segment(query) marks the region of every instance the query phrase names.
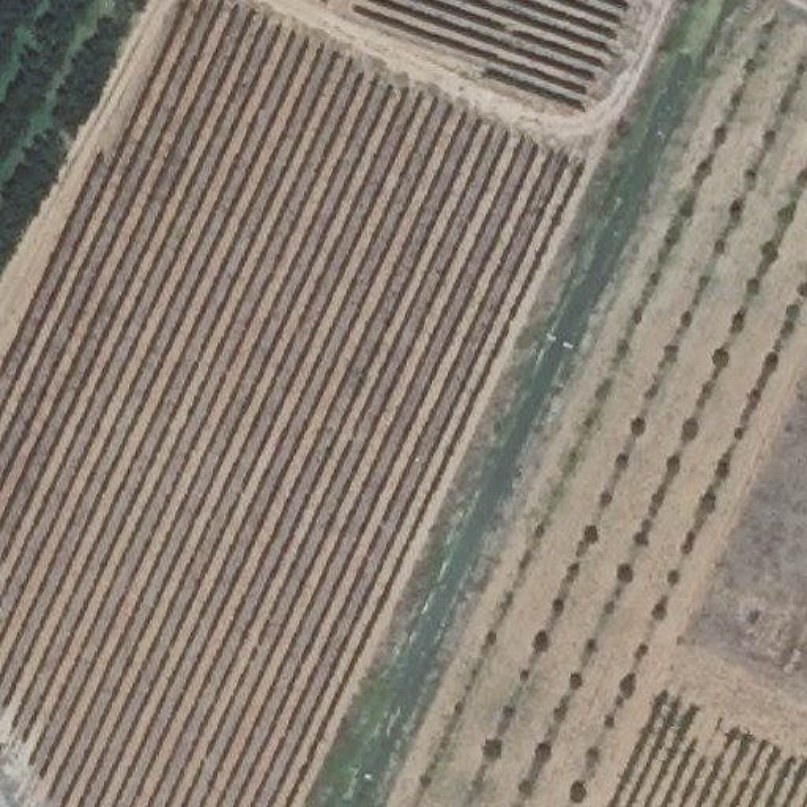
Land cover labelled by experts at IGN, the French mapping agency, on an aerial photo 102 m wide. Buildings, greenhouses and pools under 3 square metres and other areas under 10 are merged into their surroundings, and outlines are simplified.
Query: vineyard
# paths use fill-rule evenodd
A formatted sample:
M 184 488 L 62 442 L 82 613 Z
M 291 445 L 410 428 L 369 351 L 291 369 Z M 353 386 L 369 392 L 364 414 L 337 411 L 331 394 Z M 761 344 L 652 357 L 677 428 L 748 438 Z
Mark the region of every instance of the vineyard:
M 407 73 L 391 73 L 375 57 L 353 57 L 350 44 L 337 44 L 318 28 L 271 13 L 262 3 L 243 0 L 177 0 L 117 142 L 104 151 L 95 151 L 91 167 L 79 186 L 79 195 L 47 255 L 41 281 L 28 299 L 28 309 L 16 328 L 16 337 L 9 340 L 6 353 L 0 350 L 0 807 L 306 807 L 306 798 L 334 747 L 340 722 L 350 712 L 388 637 L 388 627 L 410 586 L 416 564 L 426 555 L 432 526 L 467 460 L 479 422 L 485 419 L 498 381 L 514 363 L 514 347 L 523 328 L 530 325 L 530 312 L 542 296 L 545 277 L 574 230 L 577 211 L 605 154 L 608 132 L 593 129 L 580 139 L 567 139 L 564 145 L 555 136 L 542 136 L 536 142 L 523 129 L 508 126 L 498 117 L 470 110 L 467 101 L 451 101 L 438 91 L 438 85 L 410 82 Z
M 618 73 L 624 69 L 624 54 L 634 50 L 640 41 L 640 13 L 653 9 L 653 0 L 353 0 L 353 13 L 375 25 L 388 25 L 410 38 L 482 60 L 482 79 L 489 79 L 489 88 L 508 95 L 523 107 L 552 110 L 555 104 L 561 104 L 571 110 L 586 110 L 589 104 L 608 98 Z
M 646 725 L 637 734 L 637 744 L 618 775 L 612 798 L 605 801 L 593 788 L 586 791 L 580 807 L 807 807 L 807 681 L 798 675 L 794 684 L 785 690 L 769 684 L 766 678 L 757 678 L 753 671 L 709 646 L 678 646 L 671 653 L 668 681 L 649 706 Z

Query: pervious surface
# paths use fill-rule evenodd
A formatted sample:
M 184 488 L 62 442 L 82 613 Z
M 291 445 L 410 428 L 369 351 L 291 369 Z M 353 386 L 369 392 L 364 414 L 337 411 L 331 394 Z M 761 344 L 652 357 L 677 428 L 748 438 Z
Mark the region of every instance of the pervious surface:
M 640 13 L 640 41 L 634 50 L 624 54 L 624 69 L 637 73 L 640 79 L 646 76 L 653 50 L 662 32 L 668 28 L 675 0 L 653 0 L 653 9 Z

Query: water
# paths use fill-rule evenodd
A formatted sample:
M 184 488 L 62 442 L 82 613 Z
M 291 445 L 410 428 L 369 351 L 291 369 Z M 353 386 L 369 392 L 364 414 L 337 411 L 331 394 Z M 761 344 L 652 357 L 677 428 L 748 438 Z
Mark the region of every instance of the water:
M 340 801 L 337 807 L 359 807 L 369 791 L 369 775 L 388 769 L 391 760 L 391 741 L 375 734 L 359 760 L 356 782 L 350 782 L 344 791 L 347 801 Z
M 498 508 L 511 498 L 514 479 L 520 476 L 520 451 L 526 438 L 533 432 L 542 432 L 542 419 L 549 413 L 552 397 L 571 388 L 580 340 L 586 334 L 586 318 L 596 309 L 605 287 L 621 271 L 621 252 L 627 240 L 637 233 L 640 218 L 649 218 L 646 199 L 656 180 L 656 167 L 665 148 L 671 145 L 671 136 L 684 126 L 690 107 L 690 101 L 684 98 L 690 79 L 690 57 L 700 54 L 703 41 L 709 38 L 722 0 L 706 0 L 697 3 L 697 16 L 681 44 L 684 57 L 678 57 L 678 63 L 671 66 L 665 95 L 653 110 L 643 145 L 621 189 L 621 202 L 599 233 L 593 262 L 558 322 L 555 340 L 542 356 L 539 375 L 533 381 L 530 397 L 520 407 L 517 426 L 501 451 L 501 460 L 454 549 L 454 558 L 448 564 L 441 589 L 432 599 L 422 630 L 407 653 L 404 671 L 388 700 L 391 709 L 404 709 L 410 703 L 410 694 L 416 690 L 419 675 L 426 671 L 426 656 L 435 649 L 435 637 L 441 630 L 444 615 L 451 612 L 451 605 L 463 599 L 460 580 L 476 564 L 482 536 L 495 530 L 501 520 Z

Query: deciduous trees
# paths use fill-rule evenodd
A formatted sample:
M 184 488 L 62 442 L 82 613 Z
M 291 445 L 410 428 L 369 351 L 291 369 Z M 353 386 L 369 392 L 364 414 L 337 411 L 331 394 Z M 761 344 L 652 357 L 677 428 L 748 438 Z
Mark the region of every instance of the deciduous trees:
M 675 444 L 675 454 L 665 463 L 665 473 L 649 498 L 646 517 L 634 533 L 634 545 L 627 549 L 627 558 L 618 567 L 615 586 L 593 624 L 589 640 L 583 643 L 564 697 L 552 709 L 545 738 L 539 741 L 511 807 L 526 807 L 552 757 L 561 722 L 567 719 L 577 690 L 583 687 L 583 678 L 589 675 L 593 656 L 599 653 L 599 643 L 612 627 L 612 615 L 618 612 L 627 593 L 627 583 L 634 580 L 634 567 L 640 564 L 643 549 L 649 545 L 649 533 L 659 520 L 659 511 L 678 479 L 681 457 L 700 432 L 706 404 L 722 385 L 728 353 L 738 347 L 738 337 L 747 325 L 747 312 L 757 306 L 760 287 L 772 262 L 779 258 L 801 195 L 807 192 L 807 161 L 788 186 L 788 202 L 775 214 L 772 236 L 763 243 L 760 262 L 753 268 L 753 277 L 747 281 L 725 344 L 712 353 L 712 372 L 697 394 L 690 419 L 684 419 L 681 441 Z
M 107 76 L 117 63 L 120 44 L 148 0 L 0 0 L 0 274 L 13 258 L 25 227 L 38 214 L 41 202 L 47 199 L 50 186 L 57 183 L 69 142 L 88 120 L 88 113 L 98 107 Z
M 555 523 L 561 501 L 567 498 L 580 460 L 589 451 L 593 432 L 602 426 L 605 404 L 615 388 L 612 381 L 630 356 L 637 325 L 643 322 L 646 306 L 653 303 L 671 265 L 675 246 L 687 230 L 687 221 L 694 218 L 700 189 L 712 173 L 719 148 L 734 129 L 741 104 L 753 88 L 753 76 L 769 63 L 769 47 L 772 35 L 779 32 L 779 22 L 769 19 L 757 35 L 757 47 L 744 66 L 741 85 L 731 91 L 722 123 L 716 126 L 712 142 L 706 148 L 706 158 L 697 164 L 690 186 L 684 189 L 684 199 L 668 224 L 668 233 L 649 265 L 649 277 L 621 328 L 621 340 L 612 353 L 605 378 L 599 381 L 589 400 L 583 422 L 577 426 L 574 448 L 561 457 L 561 473 L 542 495 L 545 504 L 539 523 L 526 536 L 526 549 L 508 583 L 508 593 L 501 596 L 492 615 L 489 634 L 463 678 L 463 687 L 441 728 L 438 744 L 432 747 L 429 766 L 419 775 L 410 807 L 422 807 L 444 763 L 457 775 L 473 779 L 460 807 L 476 807 L 479 801 L 489 801 L 495 791 L 495 782 L 489 782 L 489 775 L 495 760 L 501 757 L 501 744 L 508 741 L 514 716 L 520 722 L 530 722 L 530 703 L 539 694 L 539 659 L 549 649 L 549 640 L 558 634 L 564 602 L 580 577 L 580 564 L 589 545 L 599 539 L 596 526 L 605 520 L 605 511 L 630 463 L 630 454 L 637 451 L 637 438 L 646 429 L 656 397 L 671 378 L 678 350 L 709 293 L 709 284 L 719 271 L 719 258 L 728 249 L 731 233 L 741 227 L 744 202 L 757 186 L 760 170 L 744 170 L 744 183 L 734 192 L 734 202 L 728 205 L 728 218 L 716 233 L 712 252 L 706 255 L 703 268 L 690 268 L 697 287 L 687 299 L 687 309 L 681 312 L 678 328 L 671 331 L 671 340 L 665 344 L 656 375 L 643 394 L 640 413 L 630 422 L 621 454 L 615 457 L 612 476 L 605 479 L 605 492 L 593 508 L 593 520 L 574 549 L 574 561 L 561 577 L 545 627 L 536 634 L 533 653 L 526 656 L 526 665 L 520 668 L 520 678 L 501 709 L 495 738 L 485 741 L 482 753 L 476 747 L 457 747 L 457 741 L 463 728 L 463 712 L 473 700 L 473 690 L 479 687 L 482 671 L 492 665 L 498 634 L 504 630 L 514 599 L 526 583 L 526 571 L 539 558 L 542 539 Z
M 675 558 L 675 567 L 662 583 L 659 602 L 653 605 L 653 618 L 643 627 L 643 640 L 634 649 L 630 671 L 621 678 L 615 703 L 605 712 L 605 725 L 596 731 L 596 741 L 586 750 L 583 769 L 571 785 L 571 798 L 564 801 L 564 807 L 580 807 L 586 791 L 586 785 L 596 779 L 602 747 L 608 744 L 612 728 L 618 725 L 627 700 L 634 697 L 637 675 L 643 671 L 643 659 L 649 653 L 649 643 L 656 640 L 656 627 L 668 612 L 668 602 L 675 599 L 675 586 L 687 571 L 690 552 L 709 523 L 709 514 L 716 511 L 716 498 L 731 473 L 731 460 L 741 451 L 744 435 L 750 432 L 753 413 L 766 394 L 772 372 L 779 369 L 779 356 L 785 353 L 798 328 L 801 309 L 807 306 L 807 268 L 794 293 L 794 303 L 785 309 L 785 322 L 772 340 L 772 350 L 763 359 L 763 369 L 747 394 L 734 435 L 725 454 L 719 457 L 716 473 L 694 511 L 690 530 L 681 542 L 681 555 Z

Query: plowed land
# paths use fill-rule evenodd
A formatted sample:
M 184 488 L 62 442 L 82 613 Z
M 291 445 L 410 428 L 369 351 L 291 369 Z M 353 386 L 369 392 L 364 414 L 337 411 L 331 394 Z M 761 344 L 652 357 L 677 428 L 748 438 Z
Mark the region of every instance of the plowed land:
M 104 151 L 117 142 L 177 0 L 148 0 L 120 44 L 117 63 L 107 76 L 98 107 L 88 113 L 88 120 L 69 142 L 57 183 L 50 186 L 47 199 L 41 202 L 38 214 L 25 227 L 13 258 L 0 274 L 0 350 L 6 353 L 9 340 L 16 337 L 16 328 L 28 309 L 28 299 L 41 281 L 47 255 L 79 195 L 79 186 L 91 167 L 95 151 Z
M 586 791 L 593 788 L 605 801 L 612 798 L 618 775 L 637 744 L 637 734 L 646 725 L 649 706 L 668 681 L 671 653 L 678 646 L 709 646 L 753 671 L 757 678 L 766 678 L 769 684 L 785 690 L 794 684 L 798 675 L 807 681 L 807 306 L 801 309 L 798 328 L 785 353 L 779 356 L 779 369 L 772 372 L 766 394 L 753 413 L 750 432 L 744 435 L 741 451 L 731 460 L 731 473 L 716 498 L 716 511 L 709 514 L 709 523 L 690 552 L 687 571 L 675 586 L 675 599 L 668 602 L 668 612 L 656 627 L 656 640 L 649 643 L 649 653 L 643 659 L 643 671 L 637 675 L 634 697 L 627 700 L 618 725 L 612 728 L 608 744 L 602 747 L 596 779 L 586 785 Z
M 760 287 L 757 306 L 747 312 L 747 325 L 738 337 L 738 347 L 728 353 L 722 385 L 706 404 L 700 432 L 681 457 L 678 479 L 659 511 L 659 520 L 649 533 L 649 545 L 643 549 L 640 564 L 634 567 L 634 580 L 627 583 L 627 593 L 618 612 L 612 615 L 612 627 L 599 643 L 599 653 L 593 656 L 589 675 L 583 678 L 583 687 L 577 690 L 567 719 L 561 722 L 552 757 L 526 807 L 564 807 L 564 801 L 571 798 L 571 785 L 583 769 L 586 750 L 596 741 L 596 731 L 605 725 L 605 712 L 615 703 L 621 678 L 630 671 L 634 649 L 643 640 L 643 627 L 653 618 L 653 605 L 659 602 L 662 583 L 675 567 L 675 558 L 681 555 L 681 542 L 690 530 L 694 511 L 716 473 L 719 457 L 725 454 L 734 435 L 747 394 L 763 369 L 763 359 L 772 350 L 772 340 L 785 322 L 785 309 L 794 303 L 794 293 L 807 268 L 807 192 L 801 195 L 779 258 L 772 262 Z
M 422 807 L 460 807 L 473 779 L 457 775 L 444 763 Z
M 419 775 L 429 766 L 432 747 L 438 744 L 441 728 L 463 687 L 463 678 L 489 634 L 492 615 L 501 596 L 508 593 L 508 583 L 526 549 L 526 536 L 539 523 L 545 504 L 542 495 L 561 473 L 561 457 L 574 448 L 577 426 L 583 422 L 589 400 L 599 381 L 605 378 L 612 353 L 621 340 L 621 328 L 649 277 L 649 265 L 668 233 L 668 224 L 684 199 L 684 189 L 690 186 L 697 164 L 706 158 L 706 148 L 712 142 L 716 126 L 722 123 L 731 91 L 741 85 L 744 66 L 757 47 L 757 35 L 769 19 L 779 22 L 779 32 L 772 35 L 769 47 L 769 63 L 753 76 L 753 88 L 741 104 L 734 129 L 719 148 L 712 173 L 700 189 L 694 218 L 687 221 L 687 230 L 675 246 L 671 265 L 653 303 L 646 306 L 643 322 L 637 325 L 630 356 L 612 381 L 615 388 L 605 404 L 602 426 L 593 432 L 589 451 L 580 460 L 567 498 L 561 501 L 555 523 L 542 539 L 539 558 L 526 571 L 526 583 L 514 599 L 504 630 L 498 634 L 492 665 L 482 671 L 479 687 L 473 690 L 473 700 L 463 712 L 463 728 L 457 741 L 457 747 L 476 747 L 482 753 L 485 741 L 495 738 L 501 709 L 520 678 L 520 668 L 526 665 L 526 656 L 533 653 L 536 634 L 545 627 L 561 577 L 574 561 L 574 549 L 593 520 L 593 508 L 605 492 L 605 479 L 612 476 L 615 457 L 621 454 L 630 422 L 640 413 L 643 394 L 656 375 L 665 344 L 671 340 L 671 331 L 678 328 L 681 312 L 687 309 L 687 299 L 697 287 L 690 268 L 703 268 L 706 255 L 712 252 L 716 233 L 728 218 L 728 205 L 734 202 L 734 192 L 744 183 L 744 170 L 760 170 L 757 186 L 744 202 L 741 227 L 731 233 L 728 249 L 719 258 L 719 271 L 709 284 L 709 293 L 678 350 L 671 378 L 656 397 L 646 429 L 637 438 L 637 451 L 630 454 L 630 463 L 605 511 L 605 520 L 596 526 L 599 539 L 589 545 L 580 564 L 580 577 L 564 602 L 558 634 L 549 640 L 549 649 L 539 659 L 539 694 L 530 703 L 530 722 L 520 722 L 514 716 L 508 741 L 501 744 L 501 757 L 495 760 L 489 775 L 489 782 L 495 782 L 495 791 L 489 801 L 479 801 L 476 807 L 511 807 L 539 741 L 545 738 L 552 709 L 564 697 L 583 643 L 589 640 L 593 624 L 615 586 L 618 567 L 627 558 L 627 549 L 634 545 L 634 533 L 646 517 L 649 498 L 665 473 L 665 463 L 675 454 L 675 444 L 681 441 L 684 419 L 690 419 L 697 394 L 712 372 L 712 353 L 725 344 L 747 281 L 753 277 L 753 268 L 760 262 L 763 243 L 772 236 L 775 214 L 788 202 L 788 186 L 807 161 L 807 0 L 722 0 L 709 38 L 703 41 L 700 54 L 690 57 L 690 79 L 684 98 L 690 101 L 690 107 L 684 126 L 671 136 L 671 145 L 665 148 L 656 167 L 656 180 L 646 199 L 649 218 L 640 218 L 637 233 L 627 240 L 621 252 L 621 271 L 605 287 L 596 309 L 586 318 L 586 334 L 580 340 L 571 388 L 552 397 L 549 413 L 542 419 L 542 432 L 533 432 L 526 438 L 520 451 L 520 476 L 514 479 L 511 498 L 498 508 L 501 520 L 495 530 L 482 536 L 476 564 L 460 580 L 463 599 L 451 605 L 451 612 L 444 615 L 441 630 L 435 637 L 435 649 L 426 656 L 426 671 L 419 675 L 416 690 L 410 694 L 410 703 L 404 709 L 391 709 L 388 700 L 404 671 L 407 653 L 422 630 L 432 599 L 441 589 L 448 564 L 454 558 L 454 549 L 501 460 L 501 451 L 517 426 L 520 407 L 530 397 L 533 381 L 539 375 L 542 356 L 555 340 L 558 322 L 593 262 L 599 233 L 621 202 L 621 189 L 643 145 L 653 110 L 665 95 L 671 66 L 678 63 L 678 57 L 684 57 L 681 44 L 697 16 L 697 3 L 706 0 L 675 0 L 668 28 L 662 32 L 653 50 L 646 76 L 640 79 L 637 73 L 624 69 L 618 73 L 608 98 L 589 104 L 586 110 L 571 110 L 561 104 L 555 104 L 552 110 L 523 107 L 508 95 L 489 88 L 489 79 L 482 79 L 482 60 L 410 38 L 388 25 L 375 25 L 353 13 L 353 0 L 243 0 L 262 3 L 271 13 L 318 28 L 337 44 L 350 44 L 353 57 L 375 57 L 391 73 L 407 73 L 410 82 L 438 85 L 438 91 L 451 101 L 467 101 L 470 110 L 498 117 L 508 126 L 523 129 L 536 142 L 542 136 L 555 136 L 564 145 L 567 139 L 580 139 L 593 129 L 608 132 L 605 154 L 577 211 L 574 230 L 545 277 L 542 296 L 530 312 L 530 325 L 523 328 L 514 347 L 514 363 L 498 381 L 485 419 L 479 422 L 467 460 L 432 526 L 426 555 L 416 564 L 410 586 L 388 627 L 388 637 L 350 712 L 340 722 L 334 747 L 306 798 L 306 807 L 337 807 L 340 801 L 347 801 L 344 791 L 350 782 L 356 782 L 359 760 L 375 734 L 391 741 L 391 760 L 388 769 L 369 775 L 369 791 L 359 807 L 410 807 Z

